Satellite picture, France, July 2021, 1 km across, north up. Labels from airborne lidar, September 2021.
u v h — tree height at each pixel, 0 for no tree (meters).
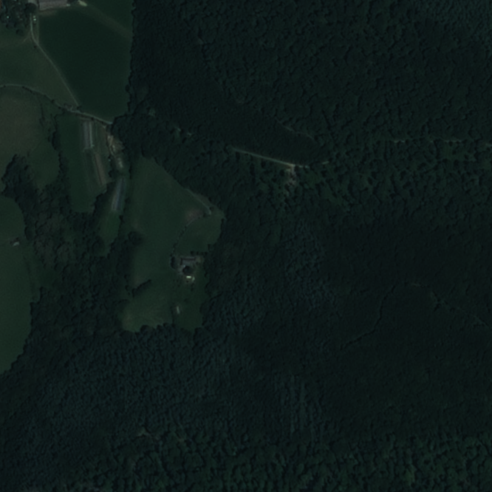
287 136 14
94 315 18
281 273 19
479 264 17
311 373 17
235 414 33
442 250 17
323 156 14
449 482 34
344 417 15
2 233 0
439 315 25
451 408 15
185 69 15
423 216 31
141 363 30
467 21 29
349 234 13
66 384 22
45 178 0
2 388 15
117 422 28
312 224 24
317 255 21
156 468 21
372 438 11
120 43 0
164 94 17
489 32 31
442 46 30
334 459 33
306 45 33
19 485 23
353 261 14
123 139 21
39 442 26
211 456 38
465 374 18
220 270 16
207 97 15
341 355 22
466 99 25
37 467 35
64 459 32
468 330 25
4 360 0
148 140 32
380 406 14
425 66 29
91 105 0
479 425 22
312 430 28
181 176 28
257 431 30
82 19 0
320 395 18
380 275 15
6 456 27
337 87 32
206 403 29
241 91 33
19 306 0
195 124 18
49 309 19
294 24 31
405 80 32
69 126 0
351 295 17
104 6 0
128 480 25
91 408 32
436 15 23
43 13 0
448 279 23
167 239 0
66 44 0
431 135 26
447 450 40
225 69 23
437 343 26
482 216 24
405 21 32
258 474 31
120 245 11
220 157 38
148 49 18
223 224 10
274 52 25
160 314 0
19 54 0
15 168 28
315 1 31
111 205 0
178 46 20
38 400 23
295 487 10
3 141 0
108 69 0
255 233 33
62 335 25
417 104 25
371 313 23
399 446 35
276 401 28
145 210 0
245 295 21
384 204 27
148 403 26
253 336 31
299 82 31
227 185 33
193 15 33
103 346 29
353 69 27
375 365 12
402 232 17
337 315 22
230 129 11
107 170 0
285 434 27
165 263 0
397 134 32
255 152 11
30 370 17
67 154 0
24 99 0
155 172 0
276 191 32
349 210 27
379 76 37
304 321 32
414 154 29
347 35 31
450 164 32
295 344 28
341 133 31
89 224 13
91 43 0
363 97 35
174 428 26
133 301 0
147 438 21
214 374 32
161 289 0
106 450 30
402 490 21
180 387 24
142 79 18
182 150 34
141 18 16
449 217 35
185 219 0
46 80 0
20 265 0
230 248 20
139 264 0
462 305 29
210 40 34
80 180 0
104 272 13
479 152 31
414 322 27
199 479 38
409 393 15
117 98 0
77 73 0
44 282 0
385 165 32
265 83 31
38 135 0
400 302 24
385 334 24
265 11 32
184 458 34
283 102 32
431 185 37
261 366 29
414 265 14
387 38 33
